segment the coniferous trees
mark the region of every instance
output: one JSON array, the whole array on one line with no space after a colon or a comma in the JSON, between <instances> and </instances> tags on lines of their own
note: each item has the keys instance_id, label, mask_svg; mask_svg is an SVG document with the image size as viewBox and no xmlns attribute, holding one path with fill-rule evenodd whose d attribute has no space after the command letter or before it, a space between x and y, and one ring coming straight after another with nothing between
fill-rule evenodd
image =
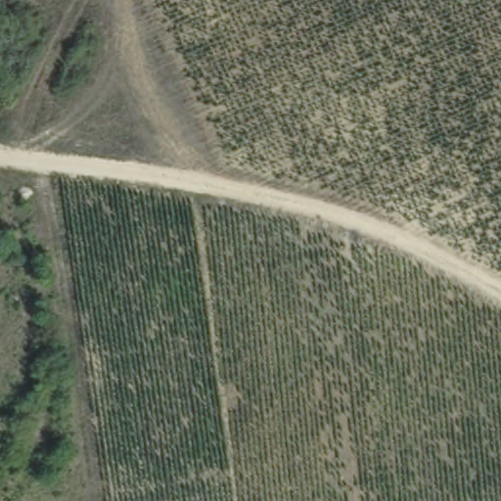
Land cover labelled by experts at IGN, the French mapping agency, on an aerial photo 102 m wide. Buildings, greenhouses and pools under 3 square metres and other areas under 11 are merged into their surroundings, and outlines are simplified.
<instances>
[{"instance_id":1,"label":"coniferous trees","mask_svg":"<svg viewBox=\"0 0 501 501\"><path fill-rule=\"evenodd\" d=\"M37 380L37 386L33 387L33 391L27 395L23 403L16 405L16 411L27 411L27 419L35 421L37 413L47 413L45 429L61 433L70 440L70 421L63 419L63 409L68 407L70 387L76 386L78 378L76 368L70 366L74 358L65 350L61 339L57 339L57 325L45 327L45 335L49 339L45 344L53 344L53 354L37 360L37 368L31 376L33 380Z\"/></svg>"}]
</instances>

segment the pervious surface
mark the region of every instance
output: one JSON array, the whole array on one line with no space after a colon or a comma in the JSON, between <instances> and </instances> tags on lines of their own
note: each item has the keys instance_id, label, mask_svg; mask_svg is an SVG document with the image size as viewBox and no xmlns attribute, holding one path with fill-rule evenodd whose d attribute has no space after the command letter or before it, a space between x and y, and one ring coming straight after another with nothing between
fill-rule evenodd
<instances>
[{"instance_id":1,"label":"pervious surface","mask_svg":"<svg viewBox=\"0 0 501 501\"><path fill-rule=\"evenodd\" d=\"M162 188L176 188L184 192L231 198L247 204L266 205L272 209L282 209L299 215L321 215L325 221L356 229L362 235L370 235L374 239L384 241L393 249L411 254L415 262L423 262L425 270L431 276L438 276L440 272L444 272L446 276L456 278L460 284L466 284L470 290L481 292L491 301L489 305L501 307L501 278L497 274L499 270L491 270L489 266L479 262L470 264L458 258L454 249L448 247L446 237L429 235L427 227L423 227L419 221L409 221L401 229L389 223L374 219L366 213L346 209L342 205L297 196L292 192L266 188L260 184L237 182L200 170L178 170L157 164L143 164L135 160L96 159L43 151L25 151L0 145L0 166L51 174L61 172L68 176L92 176L98 180L110 178L119 182L145 182Z\"/></svg>"}]
</instances>

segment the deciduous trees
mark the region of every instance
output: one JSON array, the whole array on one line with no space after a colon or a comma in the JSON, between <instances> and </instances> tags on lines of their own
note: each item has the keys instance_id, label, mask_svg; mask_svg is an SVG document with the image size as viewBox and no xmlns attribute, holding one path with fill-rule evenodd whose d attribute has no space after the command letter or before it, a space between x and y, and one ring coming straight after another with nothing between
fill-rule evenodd
<instances>
[{"instance_id":1,"label":"deciduous trees","mask_svg":"<svg viewBox=\"0 0 501 501\"><path fill-rule=\"evenodd\" d=\"M35 256L35 266L39 270L39 288L53 288L55 274L51 268L49 254L45 252Z\"/></svg>"},{"instance_id":2,"label":"deciduous trees","mask_svg":"<svg viewBox=\"0 0 501 501\"><path fill-rule=\"evenodd\" d=\"M20 431L14 434L8 458L0 460L0 491L8 491L6 479L12 474L25 476L27 472L41 483L45 483L47 489L53 489L67 476L68 468L76 462L76 448L70 440L61 433L45 429L47 413L37 413L35 421L27 419L23 419Z\"/></svg>"},{"instance_id":3,"label":"deciduous trees","mask_svg":"<svg viewBox=\"0 0 501 501\"><path fill-rule=\"evenodd\" d=\"M57 325L55 321L59 317L51 309L39 307L37 323L45 327Z\"/></svg>"}]
</instances>

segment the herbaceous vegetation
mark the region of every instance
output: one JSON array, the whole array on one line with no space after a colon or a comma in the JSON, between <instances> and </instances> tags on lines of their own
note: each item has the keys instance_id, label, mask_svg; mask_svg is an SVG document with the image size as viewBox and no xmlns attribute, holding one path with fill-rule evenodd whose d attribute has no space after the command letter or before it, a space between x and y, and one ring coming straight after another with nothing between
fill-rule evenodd
<instances>
[{"instance_id":1,"label":"herbaceous vegetation","mask_svg":"<svg viewBox=\"0 0 501 501\"><path fill-rule=\"evenodd\" d=\"M8 458L14 434L20 431L23 419L27 419L27 411L16 411L16 405L23 403L27 395L33 391L33 387L37 386L37 380L33 380L31 376L37 368L37 360L53 354L53 344L45 344L49 339L45 335L45 327L37 323L39 307L51 309L59 317L55 321L57 325L57 339L61 339L65 350L74 358L70 366L76 368L78 378L88 376L94 374L94 366L84 358L84 346L76 342L74 325L88 325L90 313L72 311L70 268L67 252L63 249L65 225L59 205L59 192L53 190L49 182L51 174L0 166L0 460ZM51 268L55 274L53 288L39 288L39 270L35 266L35 256L45 252L49 254Z\"/></svg>"},{"instance_id":2,"label":"herbaceous vegetation","mask_svg":"<svg viewBox=\"0 0 501 501\"><path fill-rule=\"evenodd\" d=\"M393 213L387 213L382 207L370 204L368 200L354 200L350 196L342 196L337 190L321 188L319 180L307 182L307 178L301 174L299 182L292 182L286 178L274 178L270 166L254 168L249 164L245 147L241 147L239 151L223 151L221 147L217 147L200 155L196 149L186 147L178 119L174 117L170 108L162 104L157 94L157 82L151 76L151 68L145 65L147 61L143 45L139 41L133 0L0 0L0 145L25 151L43 151L96 159L135 160L143 164L157 164L178 170L200 170L237 182L260 184L266 188L292 192L297 196L342 205L346 209L366 213L374 219L389 223L393 221Z\"/></svg>"}]
</instances>

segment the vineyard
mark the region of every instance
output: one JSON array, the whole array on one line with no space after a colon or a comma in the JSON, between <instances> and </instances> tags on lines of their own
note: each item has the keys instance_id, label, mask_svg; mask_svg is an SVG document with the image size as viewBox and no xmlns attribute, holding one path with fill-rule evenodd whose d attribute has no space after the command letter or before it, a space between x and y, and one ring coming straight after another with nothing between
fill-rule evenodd
<instances>
[{"instance_id":1,"label":"vineyard","mask_svg":"<svg viewBox=\"0 0 501 501\"><path fill-rule=\"evenodd\" d=\"M389 223L401 229L409 221L419 221L423 227L427 227L429 235L446 237L448 247L454 249L458 258L470 264L479 262L489 266L491 270L499 270L497 274L501 278L501 0L133 0L139 41L143 45L147 61L145 65L151 68L151 76L157 82L157 94L162 104L170 108L174 117L178 119L186 147L196 149L200 155L217 147L221 147L223 151L239 151L241 147L245 147L249 164L254 168L270 166L274 178L286 178L292 182L299 182L301 174L307 178L307 182L319 180L321 188L337 190L342 196L350 196L354 200L368 200L370 204L382 207L387 213L393 213L393 221Z\"/></svg>"},{"instance_id":2,"label":"vineyard","mask_svg":"<svg viewBox=\"0 0 501 501\"><path fill-rule=\"evenodd\" d=\"M98 458L98 478L108 479L119 485L119 466L123 464L129 466L141 481L155 481L155 491L123 497L123 501L188 501L186 497L190 495L204 495L204 479L211 485L231 481L233 501L501 501L501 307L489 305L491 301L481 292L470 290L466 284L460 284L456 278L446 276L444 272L440 272L438 276L431 276L425 270L423 262L415 262L411 254L393 249L384 241L374 239L370 235L362 235L356 229L325 221L321 215L299 215L282 209L272 209L266 205L247 204L231 198L184 192L176 188L162 188L145 182L119 182L110 178L98 180L92 176L68 176L61 172L51 174L49 182L53 190L59 192L59 205L65 225L63 249L67 252L70 268L72 311L90 313L88 325L74 325L76 342L84 346L84 358L94 366L94 374L88 376L90 384L82 387L82 391L88 411L98 417L98 433L92 436L94 452Z\"/></svg>"}]
</instances>

